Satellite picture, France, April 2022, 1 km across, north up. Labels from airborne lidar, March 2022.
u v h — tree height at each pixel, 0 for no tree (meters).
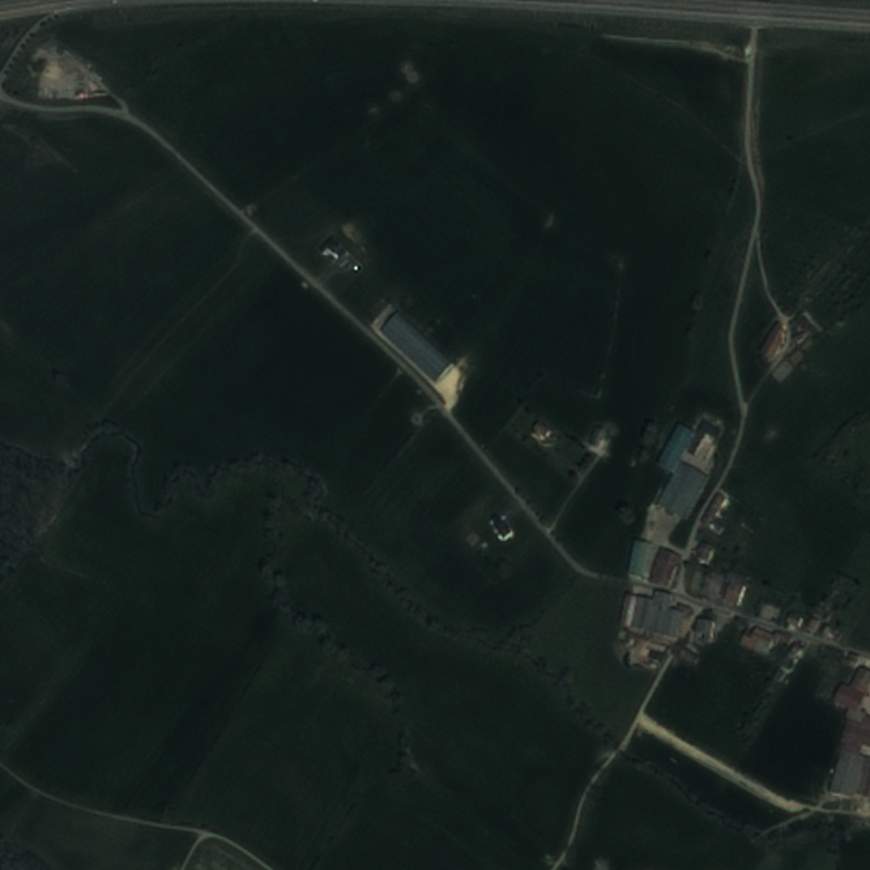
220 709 0
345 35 0
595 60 0
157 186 0
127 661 0
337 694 0
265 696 0
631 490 0
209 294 0
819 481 0
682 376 0
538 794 0
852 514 0
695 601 0
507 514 0
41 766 0
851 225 0
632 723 0
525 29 0
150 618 0
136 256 0
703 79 0
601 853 0
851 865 0
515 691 0
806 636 0
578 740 0
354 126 0
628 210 0
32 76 0
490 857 0
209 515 0
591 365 0
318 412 0
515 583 0
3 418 0
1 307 0
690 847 0
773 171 0
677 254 0
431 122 0
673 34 0
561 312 0
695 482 0
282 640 0
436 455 0
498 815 0
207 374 0
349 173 0
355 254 0
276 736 0
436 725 0
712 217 0
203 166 0
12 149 0
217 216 0
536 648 0
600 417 0
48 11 0
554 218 0
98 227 0
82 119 0
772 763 0
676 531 0
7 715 0
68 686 0
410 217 0
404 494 0
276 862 0
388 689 19
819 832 11
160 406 0
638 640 0
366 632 0
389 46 0
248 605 0
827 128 0
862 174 0
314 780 0
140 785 0
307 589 0
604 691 0
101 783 0
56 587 0
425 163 0
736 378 0
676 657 6
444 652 0
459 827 0
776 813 0
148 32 0
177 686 0
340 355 0
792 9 0
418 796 0
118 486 0
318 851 0
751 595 0
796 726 0
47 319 0
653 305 0
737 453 0
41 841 0
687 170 0
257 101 0
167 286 0
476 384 0
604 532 0
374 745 0
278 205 0
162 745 0
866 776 0
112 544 0
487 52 0
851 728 0
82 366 0
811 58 0
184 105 0
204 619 0
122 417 0
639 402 0
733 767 0
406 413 0
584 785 0
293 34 0
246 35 0
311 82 0
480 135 0
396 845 0
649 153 0
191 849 0
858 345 0
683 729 0
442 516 0
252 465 16
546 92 0
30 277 0
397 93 0
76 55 0
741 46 0
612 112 0
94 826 0
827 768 0
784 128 0
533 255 0
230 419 0
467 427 0
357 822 0
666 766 0
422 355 0
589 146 0
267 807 0
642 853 0
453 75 0
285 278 0
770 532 0
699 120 0
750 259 0
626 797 0
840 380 0
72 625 0
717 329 0
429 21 0
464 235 0
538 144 0
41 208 0
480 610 0
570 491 0
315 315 0
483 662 0
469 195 0
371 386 0
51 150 0
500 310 0
